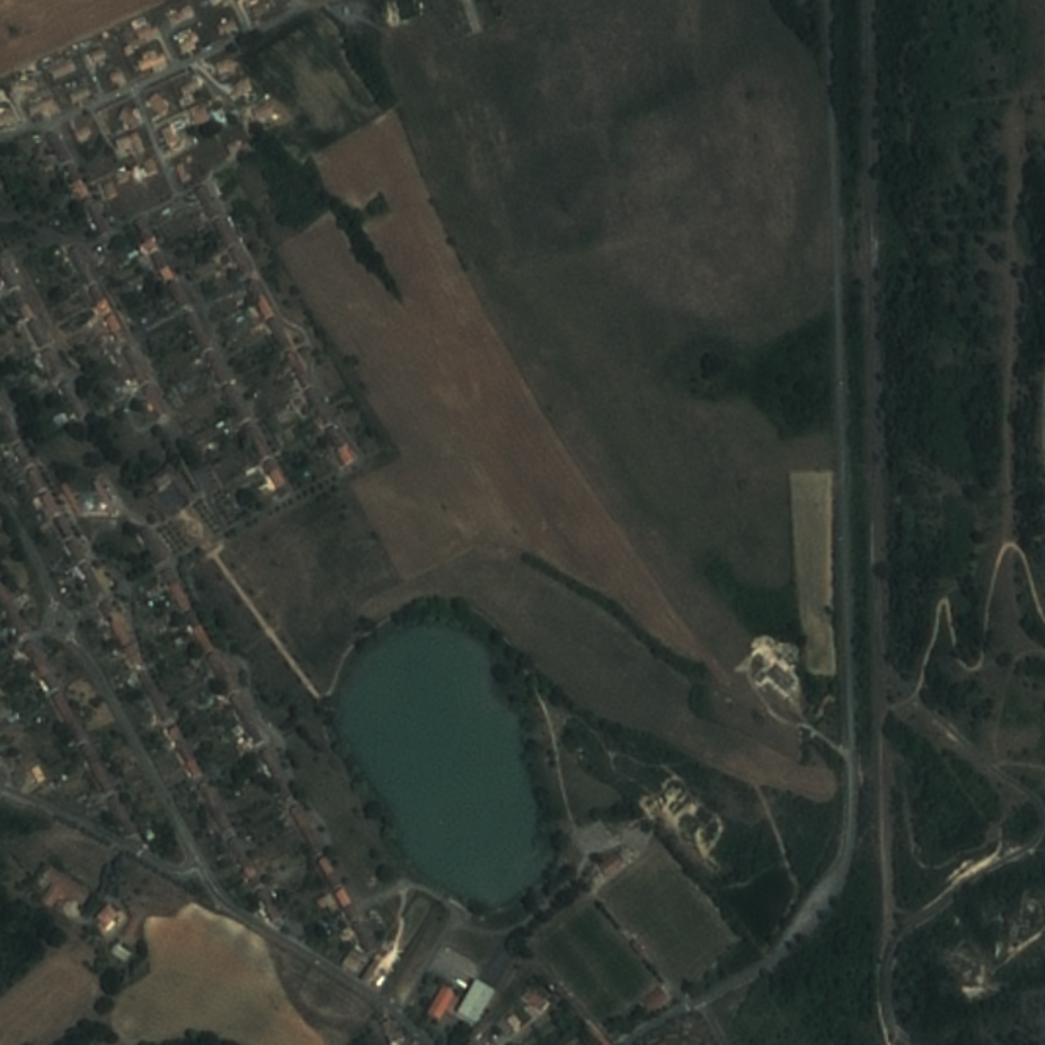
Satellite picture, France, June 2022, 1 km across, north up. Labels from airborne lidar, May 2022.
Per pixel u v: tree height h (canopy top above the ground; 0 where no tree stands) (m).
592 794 0
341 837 0
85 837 6
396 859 0
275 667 0
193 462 13
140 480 9
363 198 0
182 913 0
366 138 0
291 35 0
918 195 23
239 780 12
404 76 0
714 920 0
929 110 8
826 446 0
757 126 0
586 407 0
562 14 0
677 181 0
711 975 12
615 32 0
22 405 13
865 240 0
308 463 7
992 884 12
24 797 0
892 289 8
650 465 0
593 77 0
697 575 0
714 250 0
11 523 13
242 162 12
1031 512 6
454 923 0
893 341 11
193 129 11
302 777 0
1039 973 6
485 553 0
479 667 0
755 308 0
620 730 14
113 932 0
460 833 0
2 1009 0
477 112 0
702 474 0
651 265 0
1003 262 18
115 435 6
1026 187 10
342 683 0
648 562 0
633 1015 9
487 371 0
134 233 6
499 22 0
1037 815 6
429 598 7
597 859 12
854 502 5
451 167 0
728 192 0
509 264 0
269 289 0
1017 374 10
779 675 0
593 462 0
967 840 9
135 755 0
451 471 0
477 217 0
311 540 0
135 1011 0
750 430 0
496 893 0
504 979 0
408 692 0
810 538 0
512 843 0
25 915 11
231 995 0
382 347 0
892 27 7
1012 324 0
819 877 9
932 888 8
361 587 0
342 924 7
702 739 0
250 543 0
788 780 0
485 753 0
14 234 7
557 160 0
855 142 7
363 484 0
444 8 0
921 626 9
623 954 0
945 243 21
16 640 11
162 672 7
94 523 0
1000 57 13
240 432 7
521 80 0
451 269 0
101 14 0
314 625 0
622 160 0
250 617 0
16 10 0
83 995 0
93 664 0
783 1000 7
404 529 0
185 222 0
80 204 13
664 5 0
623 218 0
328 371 0
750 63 0
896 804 11
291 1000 0
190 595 7
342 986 0
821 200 0
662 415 0
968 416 23
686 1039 6
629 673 0
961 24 14
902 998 18
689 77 0
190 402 0
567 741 9
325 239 0
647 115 0
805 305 0
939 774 9
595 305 0
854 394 6
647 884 0
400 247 0
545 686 7
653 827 7
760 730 0
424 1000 7
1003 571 0
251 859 9
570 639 0
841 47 15
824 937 8
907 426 27
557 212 0
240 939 0
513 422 0
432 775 0
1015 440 7
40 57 0
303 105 0
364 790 11
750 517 0
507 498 0
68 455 0
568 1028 7
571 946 0
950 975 7
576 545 0
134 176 0
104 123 0
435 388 0
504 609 0
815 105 0
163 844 6
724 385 0
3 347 0
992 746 0
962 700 11
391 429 0
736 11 0
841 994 6
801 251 0
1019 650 0
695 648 0
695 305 0
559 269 0
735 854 7
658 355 0
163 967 0
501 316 0
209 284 6
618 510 0
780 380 8
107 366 0
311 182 8
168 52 0
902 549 17
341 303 0
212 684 10
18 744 0
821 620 0
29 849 0
